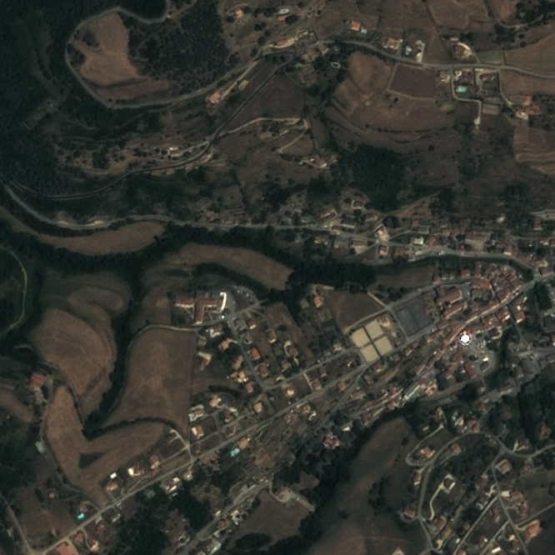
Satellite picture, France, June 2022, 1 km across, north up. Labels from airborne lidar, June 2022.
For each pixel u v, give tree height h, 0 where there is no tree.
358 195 12
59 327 0
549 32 0
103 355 0
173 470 0
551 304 10
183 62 14
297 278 18
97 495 0
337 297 0
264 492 0
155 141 0
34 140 9
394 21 0
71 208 12
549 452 7
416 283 0
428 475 0
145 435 0
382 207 9
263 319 0
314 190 6
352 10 0
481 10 0
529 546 0
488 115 0
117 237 0
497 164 0
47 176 12
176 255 0
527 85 0
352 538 0
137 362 0
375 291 0
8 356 9
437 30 0
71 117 6
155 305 0
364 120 0
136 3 12
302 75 0
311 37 0
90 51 0
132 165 9
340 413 7
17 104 12
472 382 9
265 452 0
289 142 0
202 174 10
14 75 8
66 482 10
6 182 15
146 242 0
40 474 0
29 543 0
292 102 0
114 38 0
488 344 9
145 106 7
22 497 0
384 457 0
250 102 0
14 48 15
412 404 16
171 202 14
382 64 0
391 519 0
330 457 27
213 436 0
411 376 14
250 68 0
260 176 0
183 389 0
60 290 0
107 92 0
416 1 0
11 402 0
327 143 0
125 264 6
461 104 0
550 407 13
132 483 0
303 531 16
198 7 9
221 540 0
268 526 0
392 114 0
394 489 0
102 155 11
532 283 0
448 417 7
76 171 13
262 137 0
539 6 7
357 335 0
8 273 12
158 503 8
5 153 10
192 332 0
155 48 8
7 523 8
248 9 13
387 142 0
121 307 0
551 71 0
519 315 0
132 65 0
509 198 7
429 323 0
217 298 0
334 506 0
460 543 0
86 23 0
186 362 0
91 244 0
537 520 0
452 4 0
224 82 10
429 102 0
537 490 0
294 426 0
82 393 0
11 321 18
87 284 0
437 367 16
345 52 9
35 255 16
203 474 10
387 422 12
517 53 0
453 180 0
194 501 13
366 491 0
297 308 14
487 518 0
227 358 6
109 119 9
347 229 8
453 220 14
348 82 0
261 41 11
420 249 0
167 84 0
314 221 6
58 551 0
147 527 8
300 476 22
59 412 0
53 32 10
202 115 7
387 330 0
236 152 0
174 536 0
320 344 6
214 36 9
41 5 7
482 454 9
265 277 0
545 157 0
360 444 20
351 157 9
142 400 0
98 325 0
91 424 9
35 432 10
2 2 8
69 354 0
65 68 12
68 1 11
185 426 0
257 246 21
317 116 6
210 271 6
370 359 0
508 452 0
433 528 0
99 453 0
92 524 0
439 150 0
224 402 0
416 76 0
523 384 0
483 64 0
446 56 0
